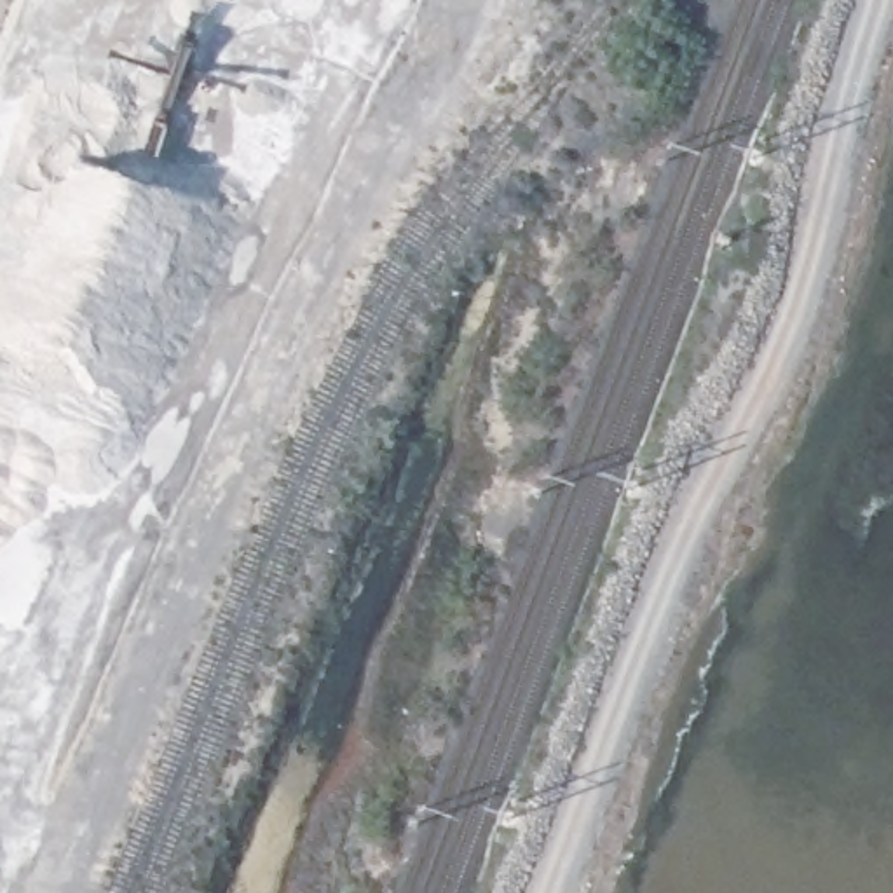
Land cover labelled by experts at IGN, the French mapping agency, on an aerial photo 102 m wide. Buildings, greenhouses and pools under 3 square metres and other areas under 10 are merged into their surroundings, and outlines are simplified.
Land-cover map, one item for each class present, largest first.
<instances>
[{"label":"pervious surface","instance_id":"1","mask_svg":"<svg viewBox=\"0 0 893 893\"><path fill-rule=\"evenodd\" d=\"M422 0H0V893H10L17 865L31 858L42 837L38 816H17L10 809L14 778H28L24 795L31 802H52L56 788L73 774V764L94 750V736L108 722L105 708L91 705L80 736H70L66 729L87 687L112 603L133 562V548L143 541V520L153 509L150 495L174 464L188 433V422H181L174 412H164L160 422L150 429L147 443L140 447L126 433L129 422L119 405V394L126 391V384H136V373L160 370L164 380L167 370L178 366V349L188 345L199 300H209V310H223L230 300L248 293L241 279L255 262L251 237L262 230V223L241 220L227 209L220 174L230 171L258 199L265 185L276 178V171L290 160L293 126L303 122L310 101L321 98L324 105H331L328 129L342 126L352 101L370 112L380 80L405 49L408 31L415 28V7ZM635 0H537L527 10V28L541 45V52L530 59V73L523 80L499 84L492 101H464V147L453 150L450 167L433 171V181L419 192L398 234L387 241V255L373 262L370 283L356 310V324L342 338H328V356L335 363L328 366L321 387H310V401L300 415V433L283 440L276 478L279 499L272 502L262 523L244 527L241 548L234 551L230 572L237 603L223 607V624H216L209 635L206 649L213 656V670L206 673L185 736L171 753L174 764L164 774L153 802L140 806L126 820V837L119 841L98 893H202V876L195 869L192 848L223 834L220 806H227L234 795L223 788V774L230 764L258 767V750H241V733L255 729L265 740V733H272V715L255 712L251 701L262 687H272L279 694L293 670V645H276V635L297 631L303 638L310 631V614L328 596V572L335 565V551L342 548V534H349L338 492H363L370 471L387 467L394 450V426L387 419L370 422V408L401 398L408 377L419 373L433 314L443 310L447 300L460 297L457 272L467 258L478 255V230L523 227L527 213L499 188L513 171H537L544 185L558 192L544 206V213L551 220H565V230L555 241L537 237V251L544 258L541 283L548 290L562 286V262L569 251L576 255L600 234V223L607 220L624 216L638 230V244L624 293L617 297L614 314L603 324V335L590 345V380L576 398L579 419L569 436L565 460L555 471L562 478H572L576 485L562 488L548 481L544 488H537L527 478H492L488 488L478 492V541L492 555H499L509 541L523 562L513 576L509 600L488 610V649L467 680L471 712L464 722H457V743H447L440 753H433V764L426 771V816L419 823V848L408 869L387 872L391 893H614L621 872L631 862L628 841L642 813L649 757L656 753L663 715L677 691L680 666L687 663V649L701 621L715 607H722L726 590L757 562V551L764 548L767 534V488L785 464H792L806 436V426L820 405V394L827 391V380L844 363L837 342L848 331V283H855L872 262L869 237L883 209L886 174L893 164V0H823L806 38V49L799 56V77L792 84L785 115L778 122V153H760L757 147H746V140L767 101L771 66L788 52L795 0H701L708 10V24L719 31V52L708 73L701 77L694 108L687 115L673 112V133L656 140L652 147H628L621 126L624 119L642 112V105H649V94L638 87H617L603 56V42L610 35V17H621ZM767 213L771 227L760 269H736L729 283H722L715 293V303H729L733 293H743V310L729 338L722 342L719 356L708 363L705 373L694 377L687 405L666 422L663 450L656 460V481L638 485L642 464H635L631 457L642 440L663 373L670 366L677 335L684 328L701 276L705 244L712 237L719 248H726V234L733 227L753 223ZM600 548L617 558V569L600 586L596 610L586 628L590 649L576 659L569 691L558 705L555 722L548 726V753L534 771V795L516 799L509 781L530 743V733L544 726L541 705L548 698L558 652L569 642ZM495 283L485 279L478 286L464 324L467 331H478L492 307ZM537 331V310H523L516 317V335L492 359L488 398L481 405V415L488 419L485 447H509V426L502 412V387L516 373L523 349L534 342Z\"/></svg>","mask_w":893,"mask_h":893},{"label":"water","instance_id":"2","mask_svg":"<svg viewBox=\"0 0 893 893\"><path fill-rule=\"evenodd\" d=\"M872 262L855 283H848V331L837 342L844 363L827 380V391L820 394V405L806 426V436L792 464H785L767 488V534L764 548L757 551V562L726 590L722 607H715L701 621L687 649V663L680 666L677 691L663 715L656 753L649 757L642 813L628 841L631 862L621 872L614 893H893V164L886 174L883 209L869 237ZM453 457V436H440L436 429H429L426 415L408 408L394 426V450L387 467L377 502L394 520L377 534V558L363 583V596L352 600L349 617L338 621V635L331 638V656L317 698L310 705V719H297V740L265 799V809L255 823L251 844L244 851L230 893H276L283 858L293 844V830L300 820V802L317 806L331 781V767L342 753L352 708L359 698L366 656L394 607L398 586L408 576L436 481Z\"/></svg>","mask_w":893,"mask_h":893},{"label":"impervious surface","instance_id":"3","mask_svg":"<svg viewBox=\"0 0 893 893\"><path fill-rule=\"evenodd\" d=\"M537 0H422L415 7V28L408 31L405 49L380 80L370 112L352 101L342 126L328 129L331 105H324L321 98L310 101L303 122L293 126L290 160L276 171V178L265 185L258 199L230 171L220 174L227 209L241 220L262 223V230L251 237L255 262L241 279L248 293L230 300L223 310H209V300H199L188 345L178 349V366L167 370L164 380L160 370L136 373V384H126V391L119 394V405L129 422L126 433L140 447L147 443L150 429L160 422L164 412H174L181 422H188V433L174 464L150 495L153 509L143 520V541L133 548V562L112 603L87 687L66 729L70 736H80L91 705L105 708L108 722L94 736V750L73 764V774L56 788L52 802H31L24 795L28 778H14L10 809L17 816H38L42 837L31 858L17 865L10 893H98L119 841L126 837V820L140 806L153 802L164 774L174 764L171 753L185 736L206 673L213 670V656L206 649L209 635L216 624H223V607L237 603L230 572L234 551L241 548L244 527L262 523L272 502L279 499L276 478L283 440L300 433V415L310 401V387H321L328 366L335 363L328 356V338H342L356 324V310L370 283L373 262L387 255V241L398 234L419 192L433 181V171L450 167L453 150L464 147V101H492L499 84L523 80L530 73V59L541 52V45L527 28V10Z\"/></svg>","mask_w":893,"mask_h":893},{"label":"herbaceous vegetation","instance_id":"4","mask_svg":"<svg viewBox=\"0 0 893 893\"><path fill-rule=\"evenodd\" d=\"M719 52V31L708 24V10L701 0H635L621 17H610V35L603 42V56L617 87H638L649 94V105H642V112L624 119L621 126L628 147H652L656 140L673 133V112L687 115L694 108L701 77L708 73ZM823 0H795L788 52L771 66L767 101L746 140V147H757L760 153H778V122L785 115L792 84L799 77V56L806 49V38ZM624 258L621 272L586 269V262L576 255L569 251L562 262V286L548 290L541 283L544 258L537 251V237L555 241L565 230V220H551L544 213H527L523 227L478 230V255L467 258L457 272L471 276L478 286L485 279L495 283L492 307L478 331H467L464 324L453 356L443 370V380L436 384V394L426 405V415L429 429H436L440 436H453V457L436 481L408 576L398 586L394 607L366 656L359 698L352 708L342 753L331 767V781L317 806L300 802V820L293 830V844L283 858L276 893H391L387 872L408 869L419 848V823L426 816V771L433 764V753H440L447 743H457V722H464L471 712L467 680L488 649V610L509 600L513 576L523 562L509 541L499 555H492L478 541V492L488 488L492 478H513V460L520 447L534 440H551L555 450L544 457V467L530 471L527 478L537 488H544L548 481L562 488L576 485L572 478H562L555 471L565 460L569 436L579 419L576 398L590 380V345L603 335V324L614 314L617 297L624 293L638 244V230L624 216L607 220ZM523 310H537V331H558L572 349V363L562 373H548V384L562 391L565 419L558 426H509V447H485L488 419L481 415V405L488 398L492 359L516 335V317ZM771 227L767 213L753 223L733 227L726 234V248H719L712 237L705 244L701 276L684 328L677 335L670 366L663 373L642 440L631 457L635 464H642L638 485L656 481V460L663 450L666 422L687 405L694 377L705 373L708 363L719 356L722 342L729 338L743 310V293H733L729 303H715V293L722 283H729L736 269H760ZM387 467L370 471L363 492H338L349 534H342V548L335 551V565L328 572V596L310 614V631L303 638L297 631L276 635V645H293V670L279 694L272 687H262L251 701L255 712L272 715V733H265V740L255 729L241 733V750H258V767L230 764L223 774V788L234 795L227 806H220L223 834L192 848L195 869L202 876V893H230L244 851L251 844L255 823L265 809V799L297 740V719H310V705L317 698L331 656V638L338 635V621L349 617L352 600L363 596V583L377 558V534L394 520L377 502ZM617 569V558L600 548L569 642L558 652L548 698L541 705L544 726L530 733V743L509 781L516 799L534 795V771L548 753V726L555 722L558 705L569 691L576 659L590 649L586 628L596 610L600 586Z\"/></svg>","mask_w":893,"mask_h":893},{"label":"brushwood","instance_id":"5","mask_svg":"<svg viewBox=\"0 0 893 893\"><path fill-rule=\"evenodd\" d=\"M499 188L527 213H544V206L558 192L544 185L537 171H513ZM576 255L586 262V269L621 272L624 258L607 220L600 223V234ZM460 297L447 300L443 310L433 314L419 373L408 377L401 398L370 408V422L387 419L394 426L408 408L426 415V405L436 394V384L443 380V370L453 356L464 324L478 286L471 276L457 272ZM572 363V349L558 331H537L534 342L523 349L516 373L502 387V412L509 426H558L565 419L562 391L548 384V373H562ZM555 450L551 440H534L520 447L513 460V478H527L530 471L544 467V457Z\"/></svg>","mask_w":893,"mask_h":893}]
</instances>
